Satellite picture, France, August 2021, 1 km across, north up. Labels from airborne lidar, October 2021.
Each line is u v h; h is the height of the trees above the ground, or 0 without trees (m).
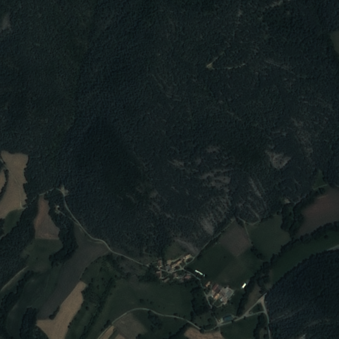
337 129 16
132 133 9
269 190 9
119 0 14
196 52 10
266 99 10
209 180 14
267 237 0
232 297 0
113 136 13
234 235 0
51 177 8
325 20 28
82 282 0
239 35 17
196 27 12
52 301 0
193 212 16
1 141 9
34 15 7
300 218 25
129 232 7
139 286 0
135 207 11
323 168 25
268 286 0
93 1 7
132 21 9
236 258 0
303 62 18
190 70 14
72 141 8
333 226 18
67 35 7
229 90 18
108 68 11
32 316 14
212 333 0
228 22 14
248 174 12
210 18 10
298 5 16
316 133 10
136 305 0
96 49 7
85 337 20
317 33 26
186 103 11
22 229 15
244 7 19
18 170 0
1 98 11
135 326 0
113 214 12
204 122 12
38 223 0
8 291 0
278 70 14
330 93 19
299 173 18
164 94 16
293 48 19
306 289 18
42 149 9
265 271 20
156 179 15
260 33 18
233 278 0
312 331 8
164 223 13
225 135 13
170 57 9
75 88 11
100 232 10
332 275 21
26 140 9
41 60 15
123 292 0
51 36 11
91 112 9
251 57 12
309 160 12
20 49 12
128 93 13
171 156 18
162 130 16
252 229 0
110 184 7
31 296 0
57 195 13
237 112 19
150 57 8
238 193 19
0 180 0
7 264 9
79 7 7
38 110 7
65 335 0
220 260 0
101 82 7
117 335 0
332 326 11
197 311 18
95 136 16
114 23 7
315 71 23
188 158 15
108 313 0
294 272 16
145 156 14
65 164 6
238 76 16
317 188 0
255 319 0
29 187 10
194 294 15
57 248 0
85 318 0
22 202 0
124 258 11
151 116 16
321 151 18
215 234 8
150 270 11
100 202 12
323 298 15
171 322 0
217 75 17
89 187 11
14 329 0
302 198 12
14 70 9
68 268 0
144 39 14
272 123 11
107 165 14
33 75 13
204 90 12
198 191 16
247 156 16
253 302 0
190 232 9
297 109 14
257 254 20
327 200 0
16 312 0
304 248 0
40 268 0
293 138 15
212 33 11
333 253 23
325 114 16
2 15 6
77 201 9
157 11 13
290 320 6
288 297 9
